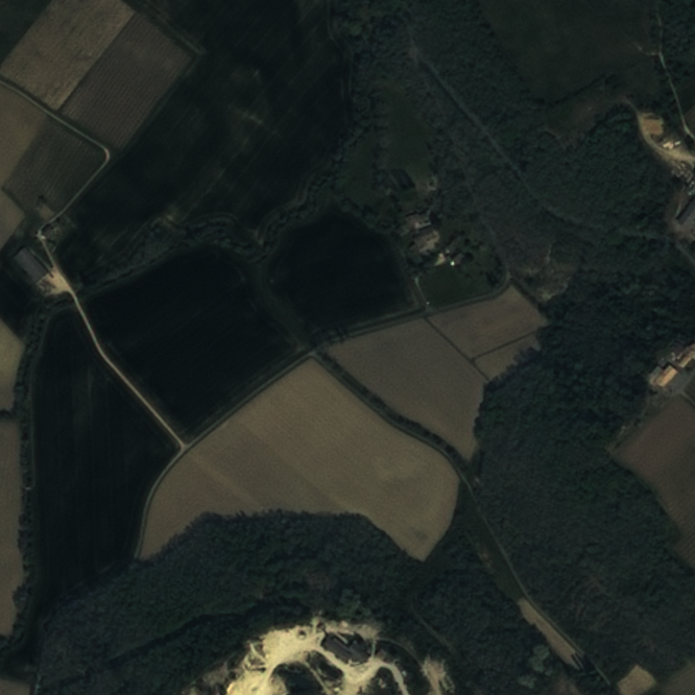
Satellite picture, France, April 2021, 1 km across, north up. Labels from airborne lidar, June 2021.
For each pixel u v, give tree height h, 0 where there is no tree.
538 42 0
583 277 14
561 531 16
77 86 0
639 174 18
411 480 0
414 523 0
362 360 0
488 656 24
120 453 0
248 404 0
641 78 0
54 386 0
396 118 0
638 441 0
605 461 13
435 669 0
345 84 0
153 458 0
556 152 12
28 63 0
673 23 18
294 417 0
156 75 0
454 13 17
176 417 0
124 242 0
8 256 0
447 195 19
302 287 0
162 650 21
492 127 19
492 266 0
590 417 12
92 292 10
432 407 0
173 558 17
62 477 0
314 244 0
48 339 0
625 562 20
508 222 12
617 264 24
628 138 12
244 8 0
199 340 0
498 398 20
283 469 0
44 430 0
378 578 23
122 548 0
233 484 0
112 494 0
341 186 12
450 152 16
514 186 17
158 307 0
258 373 0
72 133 0
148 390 0
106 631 18
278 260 0
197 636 21
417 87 18
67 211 0
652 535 20
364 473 0
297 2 0
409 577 13
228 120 0
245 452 0
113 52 0
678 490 0
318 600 17
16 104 0
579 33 0
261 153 0
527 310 0
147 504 0
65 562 0
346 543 15
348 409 0
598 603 13
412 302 0
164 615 18
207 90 0
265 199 0
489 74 18
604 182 14
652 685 0
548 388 23
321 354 23
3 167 0
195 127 0
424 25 15
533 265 10
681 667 12
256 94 0
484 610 23
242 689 0
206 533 21
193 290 0
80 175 0
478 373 0
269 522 18
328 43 0
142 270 15
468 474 10
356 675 0
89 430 0
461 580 15
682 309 14
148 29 0
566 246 11
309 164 0
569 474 19
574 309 14
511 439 16
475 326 0
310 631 0
